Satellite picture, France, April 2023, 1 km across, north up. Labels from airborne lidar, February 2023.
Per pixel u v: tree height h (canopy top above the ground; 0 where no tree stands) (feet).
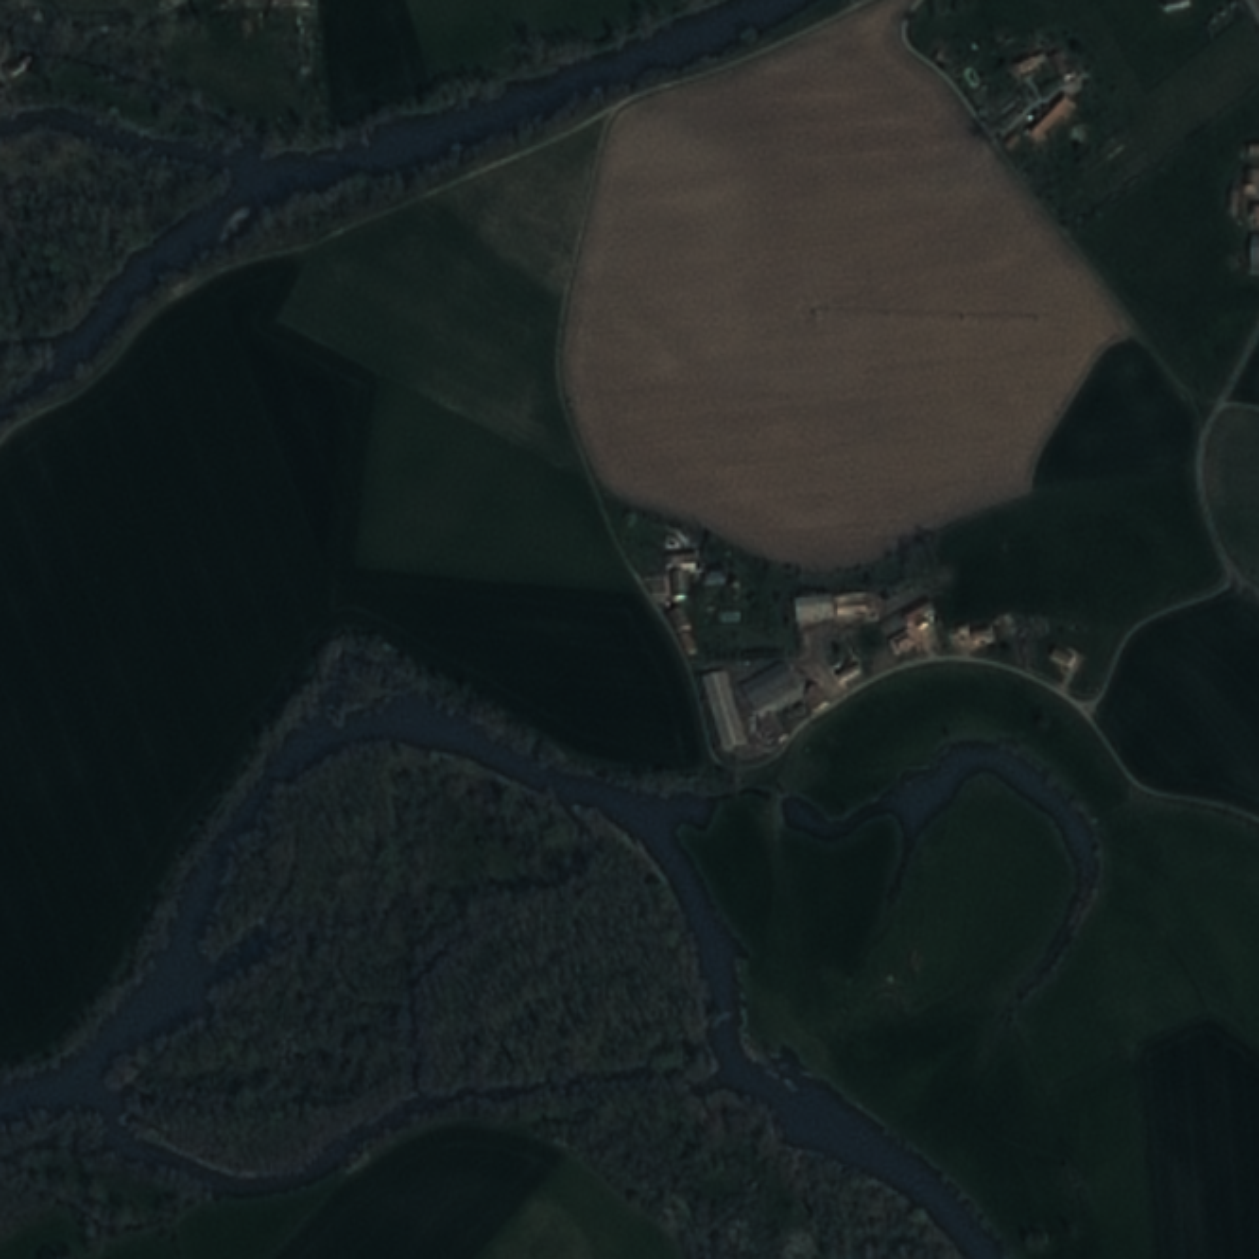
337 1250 0
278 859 90
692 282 0
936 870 0
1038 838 0
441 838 27
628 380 0
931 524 0
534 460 0
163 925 35
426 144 0
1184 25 0
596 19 0
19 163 0
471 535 0
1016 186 0
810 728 0
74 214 84
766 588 0
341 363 0
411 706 0
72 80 0
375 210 69
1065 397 0
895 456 0
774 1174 36
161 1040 48
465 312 0
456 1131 0
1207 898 0
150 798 0
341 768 63
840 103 0
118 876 0
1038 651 0
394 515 0
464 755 0
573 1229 0
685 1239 38
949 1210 0
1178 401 0
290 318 0
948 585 0
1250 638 0
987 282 0
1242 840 0
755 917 0
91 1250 55
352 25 0
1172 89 0
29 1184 57
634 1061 76
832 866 0
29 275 52
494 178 0
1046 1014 0
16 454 0
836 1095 0
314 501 0
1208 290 0
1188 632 0
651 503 0
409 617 0
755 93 0
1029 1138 0
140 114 0
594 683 0
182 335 0
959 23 0
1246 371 0
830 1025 0
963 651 0
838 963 0
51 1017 0
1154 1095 0
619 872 51
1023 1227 0
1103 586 0
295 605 0
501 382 0
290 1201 0
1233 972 0
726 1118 26
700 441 0
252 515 0
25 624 0
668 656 0
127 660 0
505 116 0
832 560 0
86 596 0
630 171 0
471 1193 0
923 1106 0
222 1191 0
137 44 64
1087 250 0
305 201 77
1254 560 0
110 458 0
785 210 0
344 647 38
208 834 50
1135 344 0
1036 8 0
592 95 55
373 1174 0
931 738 0
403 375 0
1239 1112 0
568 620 0
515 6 0
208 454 0
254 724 0
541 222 0
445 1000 69
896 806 0
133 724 0
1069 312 0
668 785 50
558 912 65
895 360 0
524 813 49
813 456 0
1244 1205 0
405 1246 0
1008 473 0
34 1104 0
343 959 60
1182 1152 0
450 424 0
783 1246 24
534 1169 0
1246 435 0
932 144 0
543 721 0
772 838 0
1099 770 0
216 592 0
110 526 0
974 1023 0
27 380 30
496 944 70
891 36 0
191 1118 56
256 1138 69
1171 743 0
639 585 0
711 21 0
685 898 0
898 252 0
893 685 0
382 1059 84
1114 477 0
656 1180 42
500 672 0
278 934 40
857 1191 23
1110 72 0
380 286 0
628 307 0
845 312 0
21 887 0
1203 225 0
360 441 0
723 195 0
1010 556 0
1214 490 0
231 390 0
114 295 0
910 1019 0
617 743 0
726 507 0
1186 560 0
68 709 0
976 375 0
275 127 0
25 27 35
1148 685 0
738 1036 0
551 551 0
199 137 45
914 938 0
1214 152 0
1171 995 0
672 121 0
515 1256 0
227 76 0
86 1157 29
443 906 35
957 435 0
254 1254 0
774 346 0
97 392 0
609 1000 104
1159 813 0
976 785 0
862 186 0
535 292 0
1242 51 0
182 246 0
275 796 41
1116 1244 0
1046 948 0
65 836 0
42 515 0
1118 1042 0
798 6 0
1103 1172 0
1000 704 0
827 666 0
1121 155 0
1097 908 0
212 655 0
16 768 0
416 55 0
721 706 0
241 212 0
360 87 0
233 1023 45
